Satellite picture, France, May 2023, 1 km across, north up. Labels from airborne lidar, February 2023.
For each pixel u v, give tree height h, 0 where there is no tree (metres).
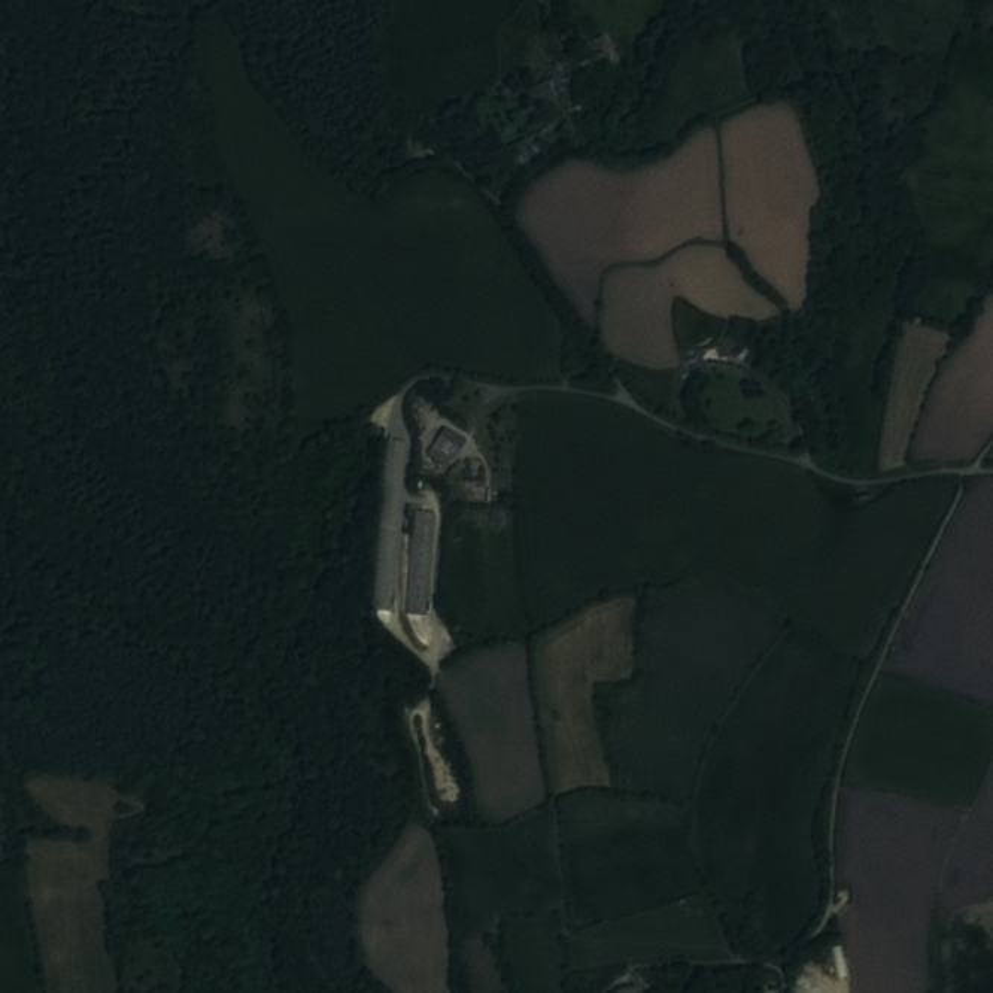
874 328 0
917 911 0
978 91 0
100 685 29
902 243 10
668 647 0
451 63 0
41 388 20
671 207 0
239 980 22
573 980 6
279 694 19
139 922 18
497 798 0
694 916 0
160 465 7
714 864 0
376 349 0
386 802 10
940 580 0
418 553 0
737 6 18
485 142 13
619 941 0
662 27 15
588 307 0
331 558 13
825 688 0
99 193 17
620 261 0
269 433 7
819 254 16
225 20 11
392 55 0
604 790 11
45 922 0
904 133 12
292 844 20
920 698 0
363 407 6
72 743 28
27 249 20
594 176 0
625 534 0
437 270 0
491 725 0
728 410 0
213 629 18
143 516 22
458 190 0
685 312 0
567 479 0
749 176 0
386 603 0
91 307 15
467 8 0
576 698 0
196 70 8
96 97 14
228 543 19
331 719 15
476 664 0
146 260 15
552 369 0
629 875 0
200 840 17
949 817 0
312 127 19
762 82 16
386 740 11
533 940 0
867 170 23
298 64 25
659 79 16
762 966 8
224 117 0
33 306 20
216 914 25
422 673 11
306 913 11
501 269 0
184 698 17
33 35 23
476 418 0
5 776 15
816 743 0
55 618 21
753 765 0
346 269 0
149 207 12
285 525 17
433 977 0
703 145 0
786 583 0
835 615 0
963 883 0
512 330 0
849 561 0
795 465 0
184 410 12
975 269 0
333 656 18
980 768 0
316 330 0
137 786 17
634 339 0
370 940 0
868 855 0
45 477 21
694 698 0
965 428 0
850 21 0
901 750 0
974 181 0
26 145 19
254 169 0
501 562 0
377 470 6
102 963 0
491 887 0
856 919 0
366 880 0
